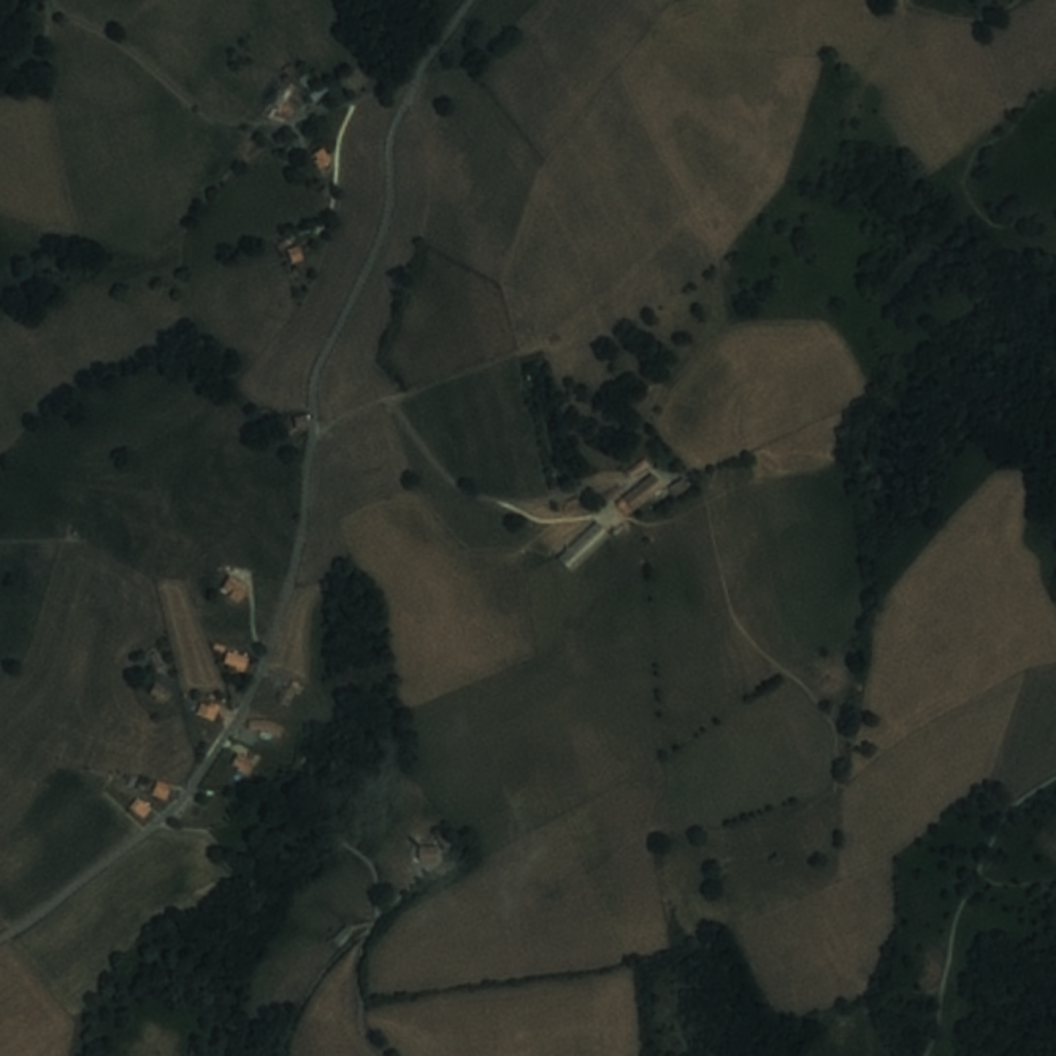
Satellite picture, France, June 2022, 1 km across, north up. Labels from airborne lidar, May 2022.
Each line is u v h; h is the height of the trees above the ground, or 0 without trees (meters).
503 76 0
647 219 0
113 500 0
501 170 0
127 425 0
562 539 0
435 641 0
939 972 0
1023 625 0
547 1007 0
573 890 0
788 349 0
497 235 0
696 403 0
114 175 0
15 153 0
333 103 15
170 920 19
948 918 8
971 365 18
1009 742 0
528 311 0
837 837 10
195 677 0
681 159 0
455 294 0
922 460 21
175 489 0
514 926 0
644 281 0
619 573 0
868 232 9
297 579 0
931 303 9
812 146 0
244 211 0
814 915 0
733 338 0
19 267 17
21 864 0
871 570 7
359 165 0
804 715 0
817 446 0
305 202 0
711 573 0
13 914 0
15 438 0
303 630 0
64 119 0
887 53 0
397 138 0
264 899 19
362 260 0
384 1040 14
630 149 0
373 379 0
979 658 0
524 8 0
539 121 0
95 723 0
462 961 0
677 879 0
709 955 12
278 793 17
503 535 0
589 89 0
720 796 0
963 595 0
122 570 0
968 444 6
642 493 0
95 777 0
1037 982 18
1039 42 0
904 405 19
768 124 0
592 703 0
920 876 7
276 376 0
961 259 21
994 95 0
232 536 0
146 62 0
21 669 12
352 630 28
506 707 0
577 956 0
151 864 0
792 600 0
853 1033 0
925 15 0
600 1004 0
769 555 0
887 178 14
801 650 0
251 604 0
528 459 0
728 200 0
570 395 10
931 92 0
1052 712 0
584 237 0
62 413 13
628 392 18
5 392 0
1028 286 19
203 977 16
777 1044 21
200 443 0
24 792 0
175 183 0
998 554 0
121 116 0
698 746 0
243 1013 15
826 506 0
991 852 21
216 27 0
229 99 0
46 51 18
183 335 21
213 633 0
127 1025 12
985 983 19
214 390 18
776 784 0
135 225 0
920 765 0
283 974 0
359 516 0
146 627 0
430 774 0
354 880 0
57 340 0
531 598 0
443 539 0
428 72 0
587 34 0
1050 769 0
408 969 0
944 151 0
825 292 0
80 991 0
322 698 0
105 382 22
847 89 0
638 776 0
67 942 0
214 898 14
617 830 0
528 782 0
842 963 0
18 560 0
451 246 0
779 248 0
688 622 0
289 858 21
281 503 0
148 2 0
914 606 0
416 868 0
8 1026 0
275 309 0
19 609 0
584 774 0
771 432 0
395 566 0
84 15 0
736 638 0
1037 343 12
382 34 15
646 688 0
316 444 0
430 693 0
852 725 18
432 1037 0
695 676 0
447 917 0
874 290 14
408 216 0
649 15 0
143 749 0
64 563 0
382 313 0
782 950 0
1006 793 6
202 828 0
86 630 0
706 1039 10
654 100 0
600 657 0
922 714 0
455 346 0
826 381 0
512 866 0
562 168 0
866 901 0
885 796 0
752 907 0
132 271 0
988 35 14
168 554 0
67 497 0
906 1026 10
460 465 0
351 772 27
